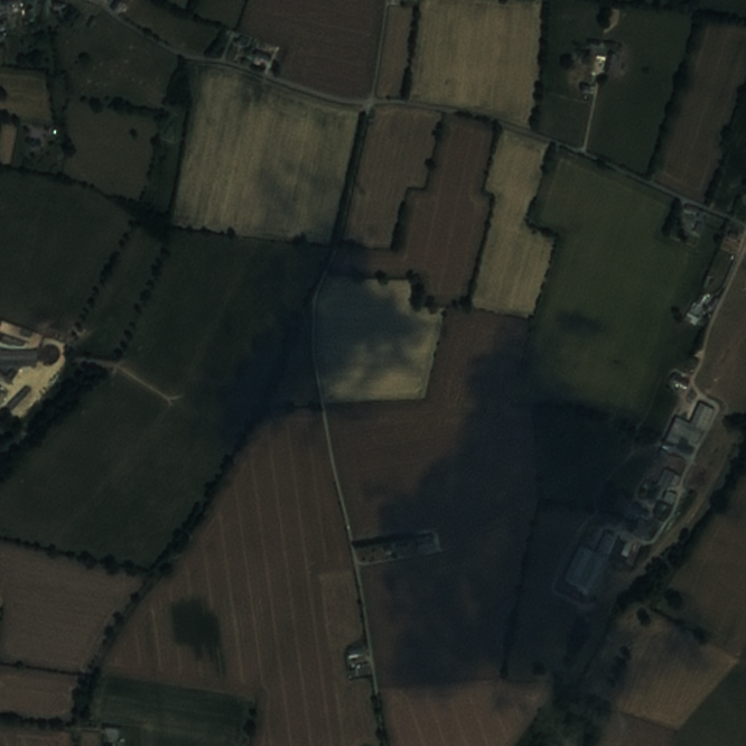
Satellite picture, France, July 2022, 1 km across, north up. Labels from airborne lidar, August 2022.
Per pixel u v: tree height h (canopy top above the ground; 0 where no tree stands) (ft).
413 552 0
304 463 0
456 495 0
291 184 0
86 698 51
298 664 0
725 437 0
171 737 0
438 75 0
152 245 0
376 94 0
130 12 0
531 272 0
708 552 0
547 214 0
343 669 0
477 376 0
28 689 0
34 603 0
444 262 0
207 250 0
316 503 0
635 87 0
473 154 0
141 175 0
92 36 0
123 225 0
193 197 0
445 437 0
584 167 0
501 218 0
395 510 0
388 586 0
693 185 0
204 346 0
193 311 0
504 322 0
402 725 0
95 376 78
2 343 0
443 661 0
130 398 0
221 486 23
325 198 0
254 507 0
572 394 0
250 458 0
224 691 0
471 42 0
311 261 0
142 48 0
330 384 0
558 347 0
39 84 0
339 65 0
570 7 0
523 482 0
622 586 0
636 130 0
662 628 0
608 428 0
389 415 0
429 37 0
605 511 52
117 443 0
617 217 0
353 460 0
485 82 0
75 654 0
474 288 35
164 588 0
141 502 0
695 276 0
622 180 0
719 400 0
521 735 0
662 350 0
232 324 0
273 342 0
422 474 0
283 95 0
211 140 0
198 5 30
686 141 0
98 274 0
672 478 0
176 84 34
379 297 0
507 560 0
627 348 0
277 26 0
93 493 0
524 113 0
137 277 0
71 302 0
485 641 0
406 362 0
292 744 0
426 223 0
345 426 0
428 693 0
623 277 0
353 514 0
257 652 0
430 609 0
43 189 0
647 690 0
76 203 0
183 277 0
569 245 0
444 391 0
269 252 0
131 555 0
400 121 0
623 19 0
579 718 66
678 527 0
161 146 55
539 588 0
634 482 0
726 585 0
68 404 66
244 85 0
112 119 0
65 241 0
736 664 0
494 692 0
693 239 0
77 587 0
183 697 0
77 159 0
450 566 0
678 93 25
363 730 0
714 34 0
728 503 40
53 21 0
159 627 0
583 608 0
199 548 0
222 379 0
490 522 0
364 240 0
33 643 0
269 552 0
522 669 0
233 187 0
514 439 0
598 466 0
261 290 0
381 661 0
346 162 0
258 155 0
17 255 0
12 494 0
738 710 0
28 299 0
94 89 0
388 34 0
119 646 0
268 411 45
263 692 0
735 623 0
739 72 0
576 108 0
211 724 0
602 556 0
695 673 0
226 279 0
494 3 0
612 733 0
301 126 0
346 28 0
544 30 41
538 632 0
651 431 22
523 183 0
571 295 0
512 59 0
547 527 0
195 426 0
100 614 0
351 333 0
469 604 0
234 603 0
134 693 0
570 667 31
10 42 0
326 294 0
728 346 0
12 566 0
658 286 0
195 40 0
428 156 0
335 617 0
